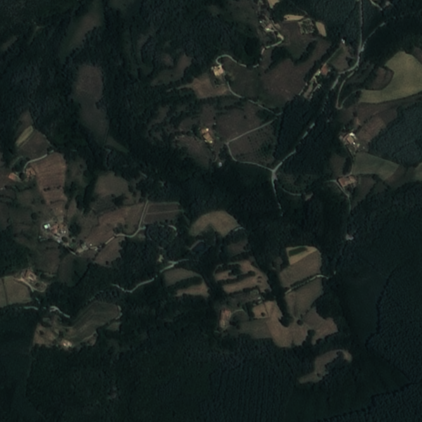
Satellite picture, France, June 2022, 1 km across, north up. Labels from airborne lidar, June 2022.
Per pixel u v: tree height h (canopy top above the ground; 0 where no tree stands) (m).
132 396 19
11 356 13
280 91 0
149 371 15
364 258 17
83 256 0
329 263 7
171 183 14
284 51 14
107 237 0
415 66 0
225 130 0
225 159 6
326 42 0
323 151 17
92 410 19
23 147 0
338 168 0
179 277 0
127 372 10
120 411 19
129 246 19
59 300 14
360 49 0
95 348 12
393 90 0
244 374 27
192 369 16
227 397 26
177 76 0
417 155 11
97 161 21
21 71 14
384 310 22
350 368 12
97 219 0
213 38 14
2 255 6
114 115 14
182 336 15
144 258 17
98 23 0
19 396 16
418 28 17
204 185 20
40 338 0
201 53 13
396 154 13
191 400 21
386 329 23
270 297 11
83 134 22
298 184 11
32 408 16
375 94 0
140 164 15
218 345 7
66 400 14
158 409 17
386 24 8
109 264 10
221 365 18
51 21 26
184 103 10
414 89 0
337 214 13
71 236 6
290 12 7
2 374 12
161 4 15
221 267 9
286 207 13
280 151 16
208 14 10
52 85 23
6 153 9
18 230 0
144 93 14
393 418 31
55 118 10
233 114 0
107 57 13
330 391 11
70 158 9
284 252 10
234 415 23
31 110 9
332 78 13
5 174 0
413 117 13
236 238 11
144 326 6
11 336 12
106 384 18
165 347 16
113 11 22
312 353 18
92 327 0
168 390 24
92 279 14
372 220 15
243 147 0
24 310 9
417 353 27
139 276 13
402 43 13
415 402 29
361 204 13
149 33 0
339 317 21
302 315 8
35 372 11
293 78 0
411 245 17
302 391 7
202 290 0
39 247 0
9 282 0
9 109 11
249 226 22
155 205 0
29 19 10
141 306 8
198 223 0
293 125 18
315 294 0
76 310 16
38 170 0
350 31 10
